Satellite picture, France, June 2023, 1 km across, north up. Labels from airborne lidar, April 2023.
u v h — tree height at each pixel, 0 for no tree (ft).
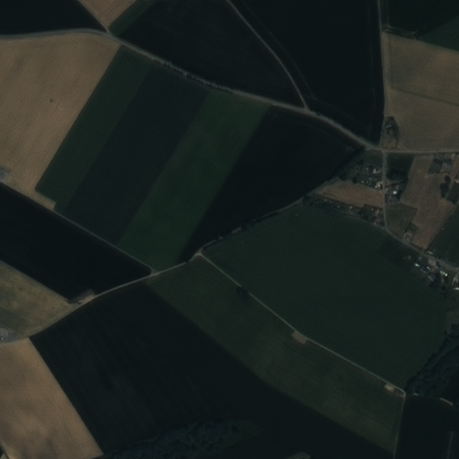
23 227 0
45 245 0
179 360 0
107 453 0
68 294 0
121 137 0
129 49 0
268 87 0
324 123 0
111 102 0
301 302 0
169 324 0
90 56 0
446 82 0
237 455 0
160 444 66
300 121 0
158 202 0
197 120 0
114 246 0
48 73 0
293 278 0
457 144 0
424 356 0
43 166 0
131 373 0
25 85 0
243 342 0
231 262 0
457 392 0
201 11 0
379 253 0
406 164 0
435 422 0
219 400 0
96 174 0
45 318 0
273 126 0
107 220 0
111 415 0
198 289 0
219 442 63
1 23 0
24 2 0
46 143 0
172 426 0
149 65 0
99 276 0
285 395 0
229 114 0
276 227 0
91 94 0
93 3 0
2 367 0
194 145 0
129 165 0
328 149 0
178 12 0
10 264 0
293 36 0
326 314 0
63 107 0
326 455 0
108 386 0
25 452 0
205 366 0
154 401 0
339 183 0
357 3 0
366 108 0
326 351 0
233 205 0
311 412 0
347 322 0
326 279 0
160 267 0
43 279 0
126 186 0
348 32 0
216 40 0
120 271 0
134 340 0
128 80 0
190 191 0
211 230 0
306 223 0
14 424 0
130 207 0
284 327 0
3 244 0
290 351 0
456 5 0
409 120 0
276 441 0
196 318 0
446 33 0
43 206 0
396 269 0
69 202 0
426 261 0
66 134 0
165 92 0
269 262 0
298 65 0
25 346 0
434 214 0
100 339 0
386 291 0
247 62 0
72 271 0
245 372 0
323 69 0
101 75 0
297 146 0
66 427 0
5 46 0
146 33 0
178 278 0
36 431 0
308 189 0
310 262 0
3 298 0
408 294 0
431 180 0
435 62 0
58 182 0
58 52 0
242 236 0
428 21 0
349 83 0
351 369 0
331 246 0
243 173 0
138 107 0
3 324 0
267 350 0
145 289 0
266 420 0
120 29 0
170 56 0
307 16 0
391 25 0
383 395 0
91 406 0
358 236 0
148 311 0
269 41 0
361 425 0
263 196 0
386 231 0
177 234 0
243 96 0
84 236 0
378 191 0
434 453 0
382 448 0
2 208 0
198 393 0
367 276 0
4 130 0
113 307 0
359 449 0
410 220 0
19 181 0
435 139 0
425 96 0
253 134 0
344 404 0
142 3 0
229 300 0
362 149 35
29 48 0
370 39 0
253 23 0
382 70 0
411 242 0
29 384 0
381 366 0
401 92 0
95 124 0
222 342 0
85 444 0
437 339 0
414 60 0
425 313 0
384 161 0
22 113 0
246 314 0
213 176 0
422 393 44
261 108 0
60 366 0
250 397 0
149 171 0
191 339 0
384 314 0
